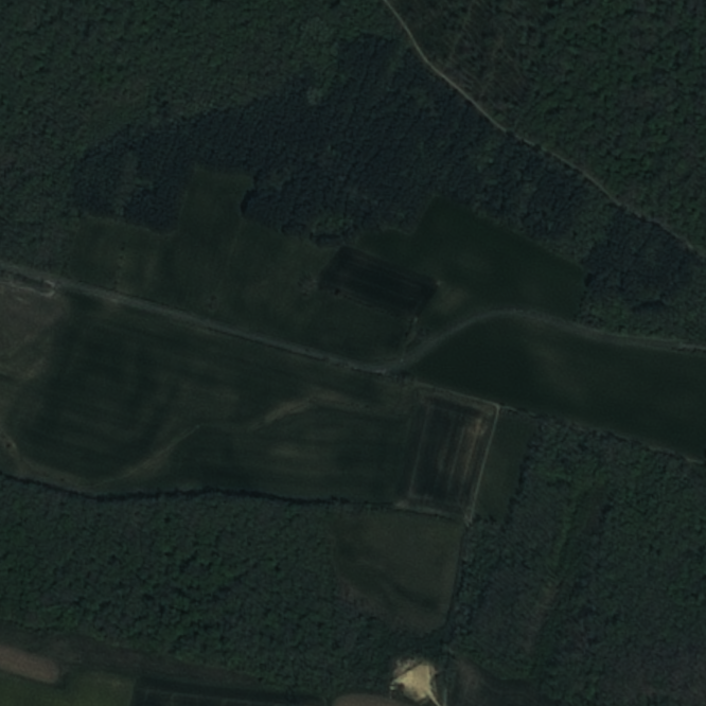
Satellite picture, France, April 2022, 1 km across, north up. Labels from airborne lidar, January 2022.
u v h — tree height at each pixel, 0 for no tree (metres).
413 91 19
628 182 16
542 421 12
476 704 0
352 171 26
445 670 12
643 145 24
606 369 0
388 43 14
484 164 19
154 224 24
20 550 25
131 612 28
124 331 0
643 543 19
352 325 0
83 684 0
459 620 13
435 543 0
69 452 0
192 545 25
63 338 0
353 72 22
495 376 0
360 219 23
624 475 22
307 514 24
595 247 18
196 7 24
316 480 0
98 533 23
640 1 29
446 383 0
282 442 0
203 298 0
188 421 0
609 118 19
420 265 0
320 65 21
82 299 0
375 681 9
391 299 0
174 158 25
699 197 21
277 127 26
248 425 0
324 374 0
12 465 0
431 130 23
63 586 24
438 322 0
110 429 0
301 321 0
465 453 0
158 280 0
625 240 24
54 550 27
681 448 0
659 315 23
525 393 0
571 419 0
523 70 0
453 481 0
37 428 0
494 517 0
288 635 27
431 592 0
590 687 26
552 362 0
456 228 0
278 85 23
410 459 0
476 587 7
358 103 21
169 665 0
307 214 24
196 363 0
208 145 23
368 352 0
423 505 0
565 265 0
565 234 22
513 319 0
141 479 0
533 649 28
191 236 0
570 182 25
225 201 0
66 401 0
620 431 0
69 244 16
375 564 0
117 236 0
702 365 0
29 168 19
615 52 22
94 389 0
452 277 0
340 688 12
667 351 0
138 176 23
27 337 0
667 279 24
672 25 25
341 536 0
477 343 0
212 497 20
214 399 0
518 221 22
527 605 28
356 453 0
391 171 24
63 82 19
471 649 16
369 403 0
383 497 0
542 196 25
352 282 0
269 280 0
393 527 0
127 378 0
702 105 25
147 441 0
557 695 19
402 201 24
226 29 20
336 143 26
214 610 28
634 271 23
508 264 0
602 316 10
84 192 27
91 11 25
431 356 0
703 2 24
